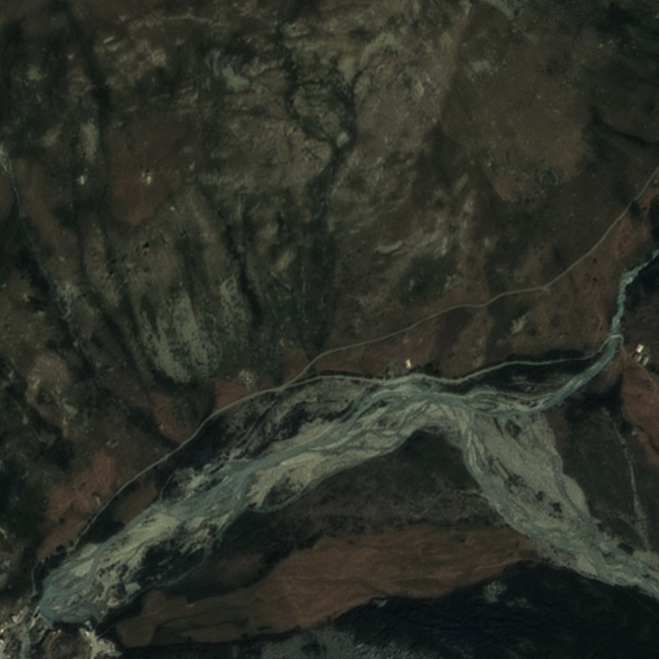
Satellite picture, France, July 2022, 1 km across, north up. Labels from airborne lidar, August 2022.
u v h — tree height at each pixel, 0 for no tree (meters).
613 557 0
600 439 0
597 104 0
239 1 0
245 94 0
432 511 0
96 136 0
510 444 0
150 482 0
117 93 0
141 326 0
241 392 0
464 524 0
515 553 0
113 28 0
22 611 0
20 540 0
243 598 0
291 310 0
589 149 0
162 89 0
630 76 0
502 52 0
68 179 0
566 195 0
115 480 0
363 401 0
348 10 0
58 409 0
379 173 0
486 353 0
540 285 0
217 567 0
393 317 0
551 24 0
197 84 0
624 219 0
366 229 0
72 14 0
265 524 0
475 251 0
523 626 10
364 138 0
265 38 0
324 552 0
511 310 0
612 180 0
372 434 0
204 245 0
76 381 0
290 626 0
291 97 0
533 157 0
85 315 0
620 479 0
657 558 0
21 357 0
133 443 0
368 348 0
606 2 0
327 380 0
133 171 0
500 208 0
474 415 0
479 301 0
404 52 0
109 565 0
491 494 0
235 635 0
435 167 0
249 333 0
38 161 0
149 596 0
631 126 0
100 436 0
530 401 0
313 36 0
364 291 0
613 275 0
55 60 0
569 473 0
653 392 0
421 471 0
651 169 0
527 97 0
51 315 0
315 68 0
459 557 0
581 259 0
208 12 0
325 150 0
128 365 0
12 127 0
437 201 0
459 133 0
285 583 0
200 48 0
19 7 0
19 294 0
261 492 0
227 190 0
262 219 0
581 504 0
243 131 0
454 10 0
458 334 0
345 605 0
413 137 0
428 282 0
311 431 0
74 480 0
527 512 0
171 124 0
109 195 0
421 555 0
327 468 0
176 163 0
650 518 0
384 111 0
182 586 0
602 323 0
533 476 0
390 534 0
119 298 0
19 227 0
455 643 0
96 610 0
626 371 0
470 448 0
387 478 0
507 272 0
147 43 0
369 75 0
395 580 0
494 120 0
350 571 0
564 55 0
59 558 7
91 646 0
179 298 0
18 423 0
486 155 0
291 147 0
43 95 0
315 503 0
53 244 0
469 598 7
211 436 7
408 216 0
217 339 0
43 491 0
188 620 0
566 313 0
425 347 0
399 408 0
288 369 0
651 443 0
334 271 0
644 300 0
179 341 0
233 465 0
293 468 0
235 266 0
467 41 0
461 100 0
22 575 0
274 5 0
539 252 0
